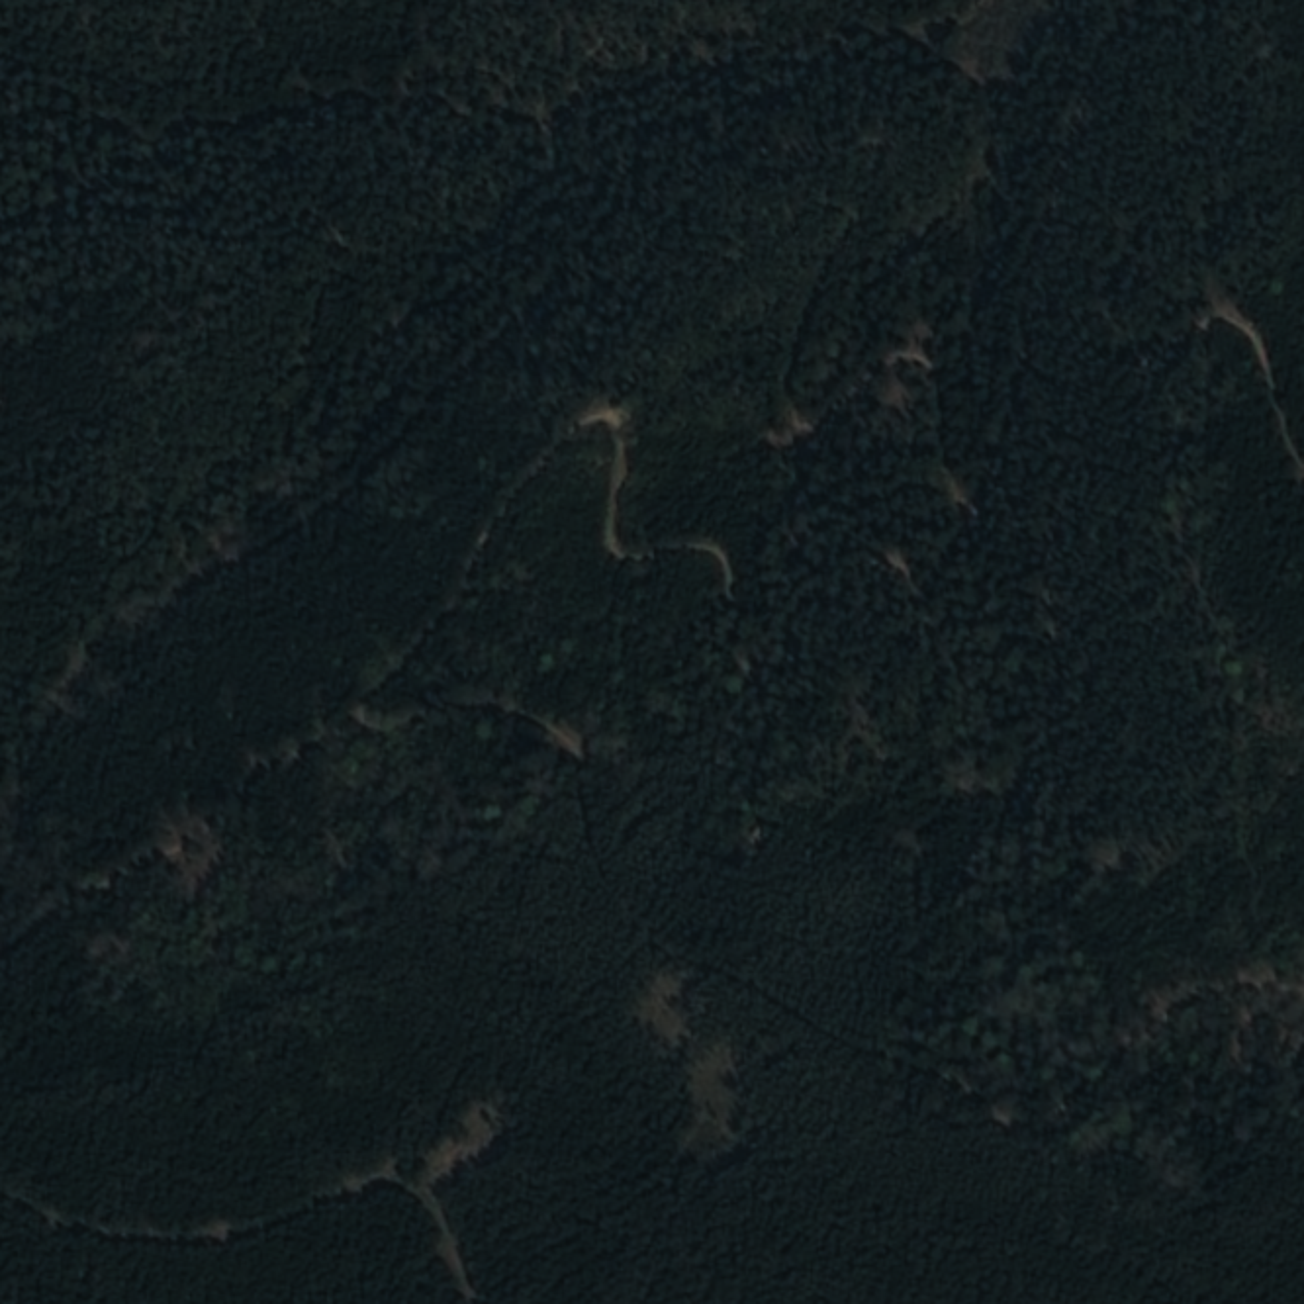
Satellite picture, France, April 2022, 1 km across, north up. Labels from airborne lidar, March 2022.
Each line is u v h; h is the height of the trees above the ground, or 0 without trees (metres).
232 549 17
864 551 31
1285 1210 23
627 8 14
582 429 7
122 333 8
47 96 32
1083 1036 13
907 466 26
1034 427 25
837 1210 23
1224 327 11
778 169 26
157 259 28
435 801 9
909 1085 16
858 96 29
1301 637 14
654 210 27
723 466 20
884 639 26
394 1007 20
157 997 9
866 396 6
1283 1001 18
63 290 8
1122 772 23
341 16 22
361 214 30
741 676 22
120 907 15
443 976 25
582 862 22
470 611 13
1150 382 21
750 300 27
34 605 12
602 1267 18
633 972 24
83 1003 16
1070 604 25
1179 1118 13
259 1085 20
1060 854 29
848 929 21
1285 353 16
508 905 25
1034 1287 23
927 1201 23
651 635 14
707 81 36
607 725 14
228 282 32
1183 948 14
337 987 18
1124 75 19
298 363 22
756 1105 26
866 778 27
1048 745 29
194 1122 18
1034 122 25
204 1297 19
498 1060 26
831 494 12
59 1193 24
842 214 11
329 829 14
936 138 24
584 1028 25
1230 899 11
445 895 21
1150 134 22
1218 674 11
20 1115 22
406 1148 24
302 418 14
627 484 8
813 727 10
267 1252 22
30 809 11
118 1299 19
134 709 14
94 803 14
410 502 11
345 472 5
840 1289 27
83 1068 16
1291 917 9
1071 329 24
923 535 11
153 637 10
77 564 17
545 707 14
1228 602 9
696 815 31
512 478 7
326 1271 21
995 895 26
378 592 13
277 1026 22
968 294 11
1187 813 19
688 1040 0
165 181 32
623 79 15
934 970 24
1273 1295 25
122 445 21
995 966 29
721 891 28
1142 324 26
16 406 11
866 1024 28
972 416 27
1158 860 20
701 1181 24
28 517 17
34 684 9
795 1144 24
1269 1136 20
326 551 13
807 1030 28
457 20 19
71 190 21
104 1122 20
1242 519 13
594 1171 25
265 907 13
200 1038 19
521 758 13
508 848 20
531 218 32
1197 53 24
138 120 28
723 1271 22
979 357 38
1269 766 7
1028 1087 20
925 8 11
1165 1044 18
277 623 12
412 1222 23
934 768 14
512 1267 20
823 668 7
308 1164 20
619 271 28
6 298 34
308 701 12
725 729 23
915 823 24
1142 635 22
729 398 31
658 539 11
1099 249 23
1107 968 9
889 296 26
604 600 9
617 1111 23
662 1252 23
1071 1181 21
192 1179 17
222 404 24
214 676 10
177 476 27
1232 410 9
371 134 32
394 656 11
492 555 10
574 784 24
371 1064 17
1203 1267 25
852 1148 23
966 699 29
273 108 29
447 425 13
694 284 25
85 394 9
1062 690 6
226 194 38
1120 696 22
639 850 26
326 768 17
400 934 21
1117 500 24
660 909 25
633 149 26
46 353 11
